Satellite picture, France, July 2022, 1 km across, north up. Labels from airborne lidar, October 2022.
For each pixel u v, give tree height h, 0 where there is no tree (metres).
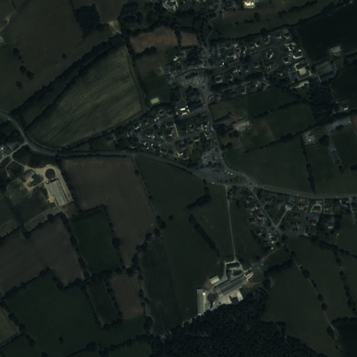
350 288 12
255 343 21
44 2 0
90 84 0
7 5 0
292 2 0
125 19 12
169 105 15
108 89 0
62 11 0
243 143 0
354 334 0
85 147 0
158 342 16
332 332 20
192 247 0
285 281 0
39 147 9
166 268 0
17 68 0
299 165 0
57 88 0
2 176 0
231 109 0
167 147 0
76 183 0
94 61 9
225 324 18
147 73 0
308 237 6
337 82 0
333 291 0
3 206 0
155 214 0
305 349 20
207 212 0
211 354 21
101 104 0
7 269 0
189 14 21
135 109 0
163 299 0
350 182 0
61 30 0
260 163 0
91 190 0
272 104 0
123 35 12
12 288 0
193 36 0
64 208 0
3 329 0
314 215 0
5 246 0
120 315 16
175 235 0
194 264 0
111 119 0
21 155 0
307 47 0
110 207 0
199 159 6
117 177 0
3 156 0
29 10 0
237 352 23
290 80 13
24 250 0
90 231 0
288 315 0
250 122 0
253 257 0
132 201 0
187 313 0
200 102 12
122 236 0
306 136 0
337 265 7
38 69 0
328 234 8
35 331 0
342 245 0
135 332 0
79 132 0
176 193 0
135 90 0
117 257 0
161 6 13
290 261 10
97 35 0
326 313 0
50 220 20
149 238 14
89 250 0
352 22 0
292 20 0
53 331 0
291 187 0
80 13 24
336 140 0
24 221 0
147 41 0
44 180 0
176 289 0
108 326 17
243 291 0
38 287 0
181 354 21
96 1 0
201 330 21
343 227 0
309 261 0
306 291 0
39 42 0
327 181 0
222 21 0
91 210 7
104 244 0
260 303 16
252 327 18
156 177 0
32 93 0
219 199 0
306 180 0
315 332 0
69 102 0
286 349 18
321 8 0
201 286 0
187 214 0
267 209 16
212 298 0
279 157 0
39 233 0
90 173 0
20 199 0
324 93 15
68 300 0
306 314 0
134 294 0
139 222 0
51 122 0
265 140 0
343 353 0
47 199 0
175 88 6
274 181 0
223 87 15
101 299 0
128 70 0
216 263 0
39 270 0
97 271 0
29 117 0
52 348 0
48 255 0
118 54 0
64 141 0
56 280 15
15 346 0
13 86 0
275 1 0
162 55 0
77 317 0
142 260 0
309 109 0
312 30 0
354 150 0
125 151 6
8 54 0
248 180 0
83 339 0
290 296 0
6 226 0
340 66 0
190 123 0
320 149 0
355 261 0
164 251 0
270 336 21
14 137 12
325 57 0
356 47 0
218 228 0
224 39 8
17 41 0
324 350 0
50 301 0
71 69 18
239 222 0
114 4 0
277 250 0
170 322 0
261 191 8
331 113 17
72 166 0
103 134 13
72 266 0
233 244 0
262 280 0
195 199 0
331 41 0
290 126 0
